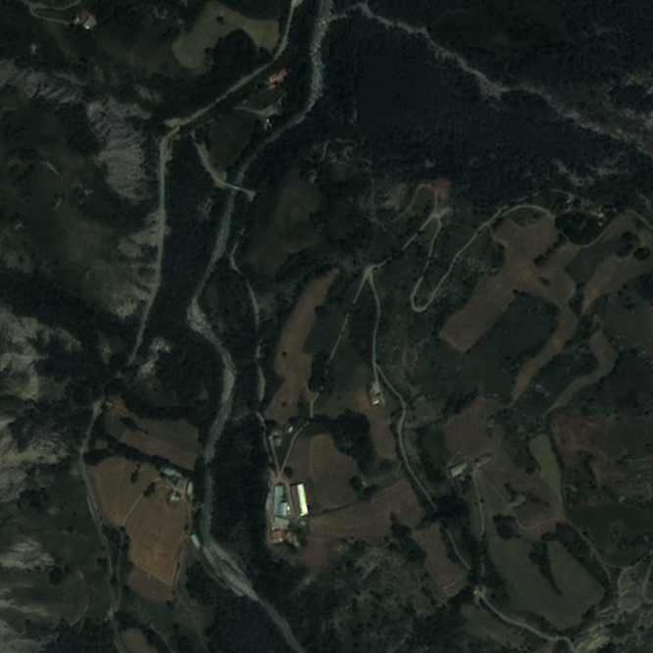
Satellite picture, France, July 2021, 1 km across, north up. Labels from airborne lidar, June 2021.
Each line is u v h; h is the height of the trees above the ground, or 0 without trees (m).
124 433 0
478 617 0
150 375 0
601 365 0
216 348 10
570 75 18
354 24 18
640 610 0
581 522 0
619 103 20
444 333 0
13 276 6
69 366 17
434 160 6
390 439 0
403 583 0
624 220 0
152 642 12
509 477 0
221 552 0
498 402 0
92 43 6
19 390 0
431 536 0
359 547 5
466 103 18
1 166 0
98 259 0
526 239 0
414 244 8
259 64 10
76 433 10
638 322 0
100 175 8
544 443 0
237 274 13
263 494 7
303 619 15
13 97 0
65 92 0
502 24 7
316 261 8
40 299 10
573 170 6
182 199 16
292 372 0
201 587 6
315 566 0
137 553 0
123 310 0
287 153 19
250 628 12
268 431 7
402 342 0
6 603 0
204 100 13
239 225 11
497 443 0
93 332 11
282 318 13
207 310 8
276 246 0
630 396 0
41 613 0
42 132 0
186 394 7
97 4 7
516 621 0
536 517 0
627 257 0
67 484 0
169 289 9
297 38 19
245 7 7
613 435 0
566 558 0
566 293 0
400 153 7
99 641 11
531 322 0
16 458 0
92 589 0
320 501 0
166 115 10
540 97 6
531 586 0
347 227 0
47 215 0
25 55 14
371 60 19
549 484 0
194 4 8
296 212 0
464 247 0
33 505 12
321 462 0
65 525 0
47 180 0
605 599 5
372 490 11
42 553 0
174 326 9
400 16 19
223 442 8
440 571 0
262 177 14
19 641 0
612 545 0
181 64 0
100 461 9
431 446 0
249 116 0
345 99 16
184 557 0
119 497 0
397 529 11
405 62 21
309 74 16
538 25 7
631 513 0
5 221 8
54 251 0
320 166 10
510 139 17
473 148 14
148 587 0
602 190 7
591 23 15
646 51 6
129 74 10
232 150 0
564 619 0
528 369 0
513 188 13
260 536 12
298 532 6
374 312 6
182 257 11
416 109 18
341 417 9
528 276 0
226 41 10
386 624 8
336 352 0
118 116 0
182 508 0
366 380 0
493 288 0
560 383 0
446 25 7
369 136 20
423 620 7
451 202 0
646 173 9
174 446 0
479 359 0
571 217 7
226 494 10
